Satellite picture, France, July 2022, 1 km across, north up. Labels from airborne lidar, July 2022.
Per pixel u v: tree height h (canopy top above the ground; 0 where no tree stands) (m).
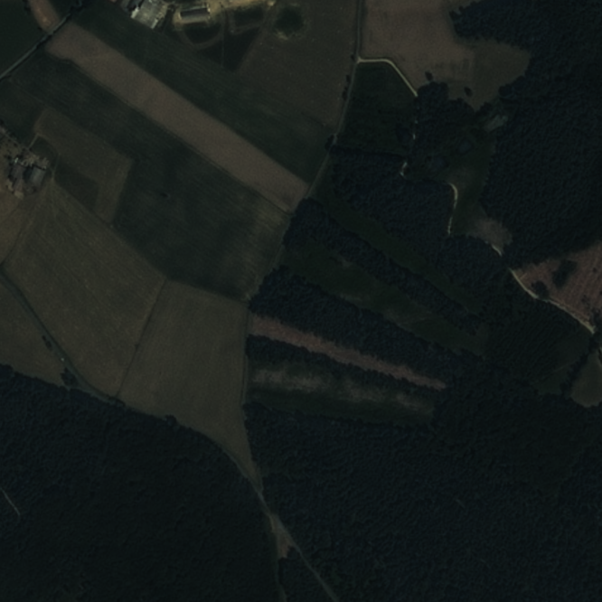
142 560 29
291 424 25
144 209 0
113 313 0
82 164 0
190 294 0
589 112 15
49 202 0
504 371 24
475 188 0
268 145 0
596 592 25
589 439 30
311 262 0
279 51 0
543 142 18
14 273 0
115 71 0
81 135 0
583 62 17
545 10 17
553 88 24
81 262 0
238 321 0
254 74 0
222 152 0
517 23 22
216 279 0
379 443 21
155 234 0
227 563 28
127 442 29
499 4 25
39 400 29
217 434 0
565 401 25
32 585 26
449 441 19
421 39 0
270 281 18
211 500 25
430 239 29
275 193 0
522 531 21
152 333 0
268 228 0
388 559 22
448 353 24
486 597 22
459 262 27
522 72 0
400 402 0
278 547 0
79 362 0
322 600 12
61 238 0
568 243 24
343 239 22
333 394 0
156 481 30
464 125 14
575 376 20
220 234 0
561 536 18
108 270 0
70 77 0
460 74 0
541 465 24
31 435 24
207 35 0
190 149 0
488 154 0
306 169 0
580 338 0
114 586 26
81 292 0
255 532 29
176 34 0
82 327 0
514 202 23
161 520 26
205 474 29
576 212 19
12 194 0
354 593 7
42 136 0
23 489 21
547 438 25
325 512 23
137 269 0
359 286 0
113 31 0
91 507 27
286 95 0
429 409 0
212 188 0
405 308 0
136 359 0
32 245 0
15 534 24
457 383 22
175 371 0
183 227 0
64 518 24
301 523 26
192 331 0
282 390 0
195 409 0
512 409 26
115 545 27
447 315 25
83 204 0
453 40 0
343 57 0
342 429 23
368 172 27
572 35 16
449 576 20
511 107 9
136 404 0
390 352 28
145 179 0
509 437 24
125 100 0
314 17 0
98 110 0
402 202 27
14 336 0
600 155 24
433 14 0
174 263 0
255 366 0
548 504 22
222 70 0
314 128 0
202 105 0
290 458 25
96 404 26
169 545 28
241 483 26
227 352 0
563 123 18
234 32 0
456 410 27
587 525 26
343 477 23
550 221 19
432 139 20
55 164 0
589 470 17
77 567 24
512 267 21
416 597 28
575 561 16
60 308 0
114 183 0
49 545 23
